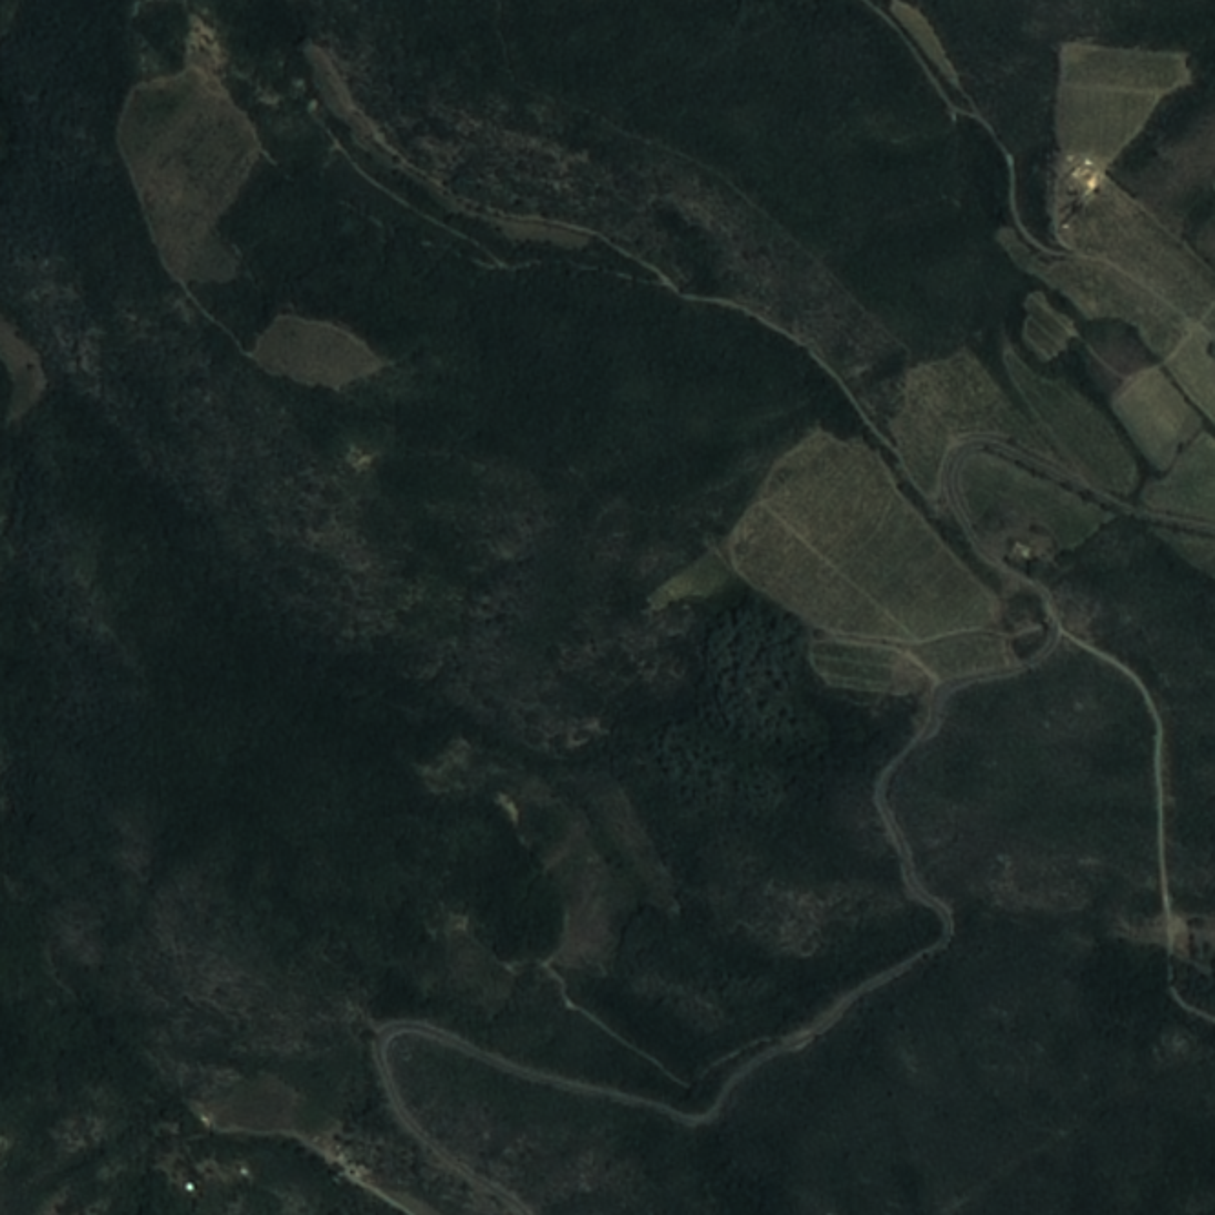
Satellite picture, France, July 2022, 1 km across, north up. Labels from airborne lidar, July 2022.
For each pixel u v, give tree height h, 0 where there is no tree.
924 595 0
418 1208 0
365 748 9
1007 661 0
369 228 8
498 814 9
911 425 0
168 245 0
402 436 6
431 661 7
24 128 6
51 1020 8
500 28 6
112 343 6
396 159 7
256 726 6
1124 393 0
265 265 8
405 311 6
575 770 7
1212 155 0
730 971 5
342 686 14
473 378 7
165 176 0
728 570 0
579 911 0
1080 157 0
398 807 7
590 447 6
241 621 9
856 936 7
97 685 6
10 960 8
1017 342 8
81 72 7
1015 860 0
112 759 7
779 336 6
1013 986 6
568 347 6
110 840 5
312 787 7
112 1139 9
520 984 8
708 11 8
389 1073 0
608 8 7
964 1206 0
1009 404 0
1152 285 0
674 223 9
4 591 8
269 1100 0
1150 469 7
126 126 0
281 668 10
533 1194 0
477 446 6
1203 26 6
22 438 6
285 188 10
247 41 6
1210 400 0
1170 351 0
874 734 6
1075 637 0
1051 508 0
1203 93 6
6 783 6
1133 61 0
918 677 0
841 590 0
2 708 6
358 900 6
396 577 6
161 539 10
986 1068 0
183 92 0
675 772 13
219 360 5
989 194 6
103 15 6
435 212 6
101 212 6
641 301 6
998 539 0
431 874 6
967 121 6
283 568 7
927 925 9
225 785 5
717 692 14
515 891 5
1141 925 0
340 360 0
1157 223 0
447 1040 0
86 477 7
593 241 6
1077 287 0
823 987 6
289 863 5
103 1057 6
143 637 8
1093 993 6
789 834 6
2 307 8
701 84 7
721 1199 5
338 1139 7
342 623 6
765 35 5
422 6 7
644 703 8
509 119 5
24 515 6
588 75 6
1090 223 0
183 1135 7
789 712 14
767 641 13
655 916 9
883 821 0
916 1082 0
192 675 7
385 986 8
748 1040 6
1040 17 0
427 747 10
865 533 0
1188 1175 7
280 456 7
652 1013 6
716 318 6
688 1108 8
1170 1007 9
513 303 6
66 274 6
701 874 6
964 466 0
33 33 8
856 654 0
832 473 0
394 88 7
